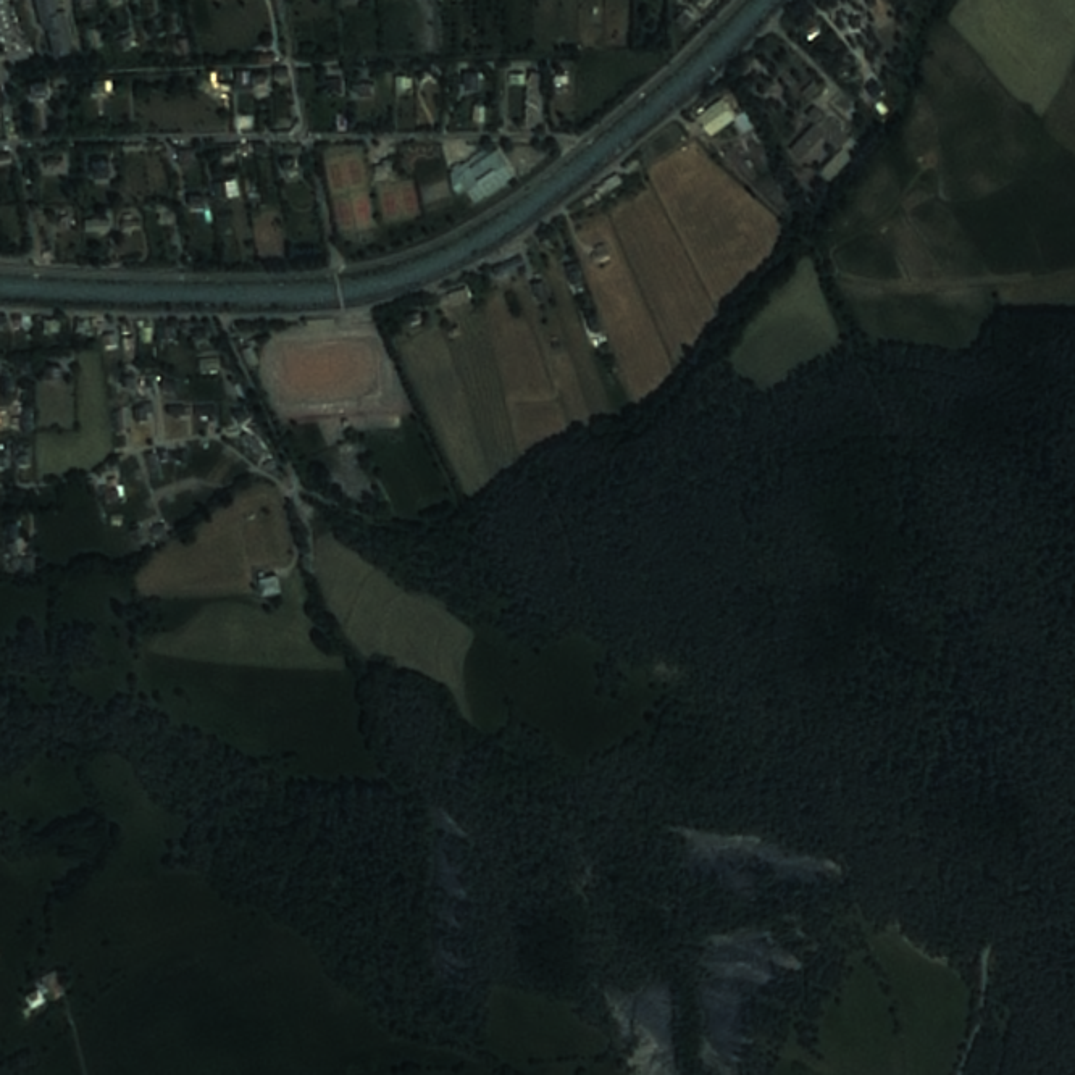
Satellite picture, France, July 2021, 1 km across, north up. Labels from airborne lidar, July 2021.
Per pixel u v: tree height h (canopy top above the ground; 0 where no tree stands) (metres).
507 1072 11
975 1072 9
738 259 0
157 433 0
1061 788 12
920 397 18
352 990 11
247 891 11
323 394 0
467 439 0
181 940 0
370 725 15
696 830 7
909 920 7
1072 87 0
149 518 0
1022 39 0
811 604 15
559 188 0
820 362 9
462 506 9
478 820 12
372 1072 0
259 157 6
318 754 0
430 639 0
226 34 0
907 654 21
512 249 0
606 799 13
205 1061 0
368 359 0
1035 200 0
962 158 0
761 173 0
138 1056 0
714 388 14
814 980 8
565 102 0
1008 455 25
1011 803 25
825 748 9
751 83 14
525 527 20
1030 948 13
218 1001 0
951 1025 0
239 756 14
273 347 0
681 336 0
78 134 8
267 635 0
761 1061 11
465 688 0
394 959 18
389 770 14
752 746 13
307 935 12
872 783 17
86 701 7
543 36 0
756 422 21
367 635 0
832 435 23
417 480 0
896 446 22
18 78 11
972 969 8
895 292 0
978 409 24
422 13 0
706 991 0
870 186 0
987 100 0
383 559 15
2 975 0
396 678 12
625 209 0
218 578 0
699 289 0
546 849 12
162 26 6
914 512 21
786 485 18
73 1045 0
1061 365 22
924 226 0
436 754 11
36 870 0
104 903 0
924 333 0
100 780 0
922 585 19
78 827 15
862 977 0
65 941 0
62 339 6
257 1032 0
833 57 11
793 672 12
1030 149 0
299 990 0
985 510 16
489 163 0
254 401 13
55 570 13
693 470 18
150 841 0
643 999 0
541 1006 0
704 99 9
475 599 8
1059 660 10
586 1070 9
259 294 0
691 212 0
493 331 0
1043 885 18
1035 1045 12
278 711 0
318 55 12
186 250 6
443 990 11
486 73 6
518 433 0
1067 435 19
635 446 19
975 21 0
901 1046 0
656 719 13
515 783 18
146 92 10
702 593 13
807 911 7
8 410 0
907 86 16
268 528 0
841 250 0
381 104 0
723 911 12
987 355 16
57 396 0
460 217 0
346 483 0
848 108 0
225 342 11
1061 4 0
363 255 11
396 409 0
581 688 0
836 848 6
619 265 0
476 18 8
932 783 12
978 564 17
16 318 0
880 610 19
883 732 18
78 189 21
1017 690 14
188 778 11
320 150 9
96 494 7
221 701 0
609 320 0
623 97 6
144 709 8
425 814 17
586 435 20
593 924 10
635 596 13
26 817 0
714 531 16
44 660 16
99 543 0
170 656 0
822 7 15
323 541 0
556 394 0
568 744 0
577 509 17
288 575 0
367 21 0
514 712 6
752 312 15
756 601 18
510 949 17
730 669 11
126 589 0
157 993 0
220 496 9
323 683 0
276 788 16
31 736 12
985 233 0
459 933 6
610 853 12
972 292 0
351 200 0
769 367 0
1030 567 11
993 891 21
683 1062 10
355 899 17
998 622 15
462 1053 8
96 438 0
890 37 0
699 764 11
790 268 12
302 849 15
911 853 12
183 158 0
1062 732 14
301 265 27
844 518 18
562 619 9
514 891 12
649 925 18
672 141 0
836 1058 0
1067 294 0
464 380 0
